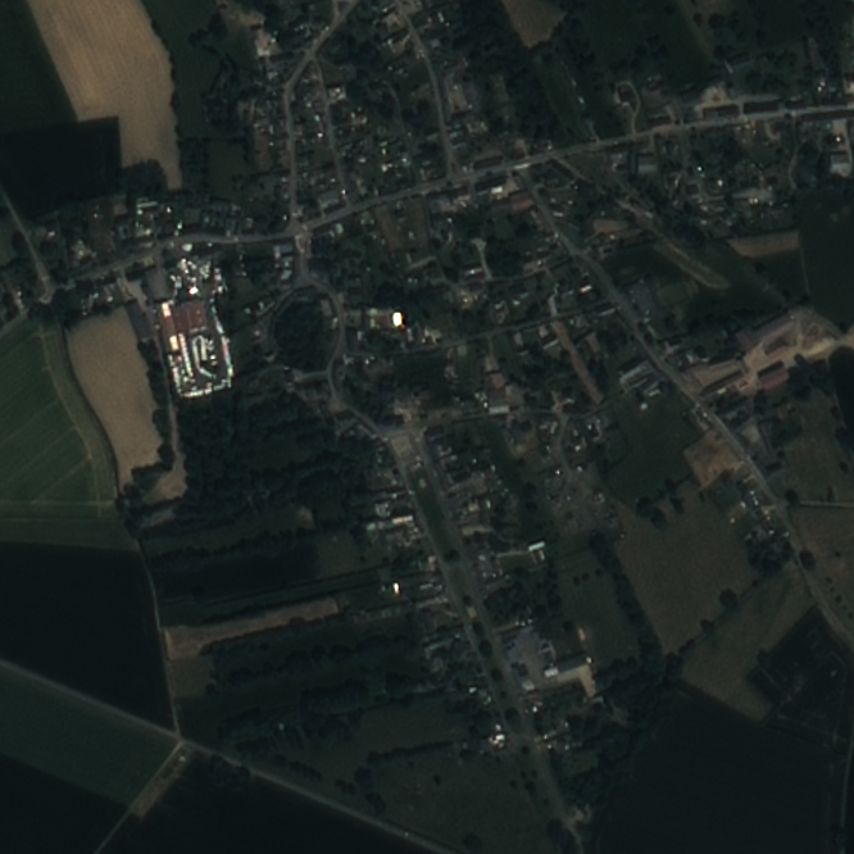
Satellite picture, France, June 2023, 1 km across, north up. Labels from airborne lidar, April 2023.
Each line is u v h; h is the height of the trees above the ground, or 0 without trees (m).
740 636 0
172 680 0
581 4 17
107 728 0
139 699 0
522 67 25
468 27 13
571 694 0
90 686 0
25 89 0
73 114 0
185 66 0
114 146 0
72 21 0
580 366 0
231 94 6
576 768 0
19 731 0
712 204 0
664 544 0
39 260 0
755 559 16
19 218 0
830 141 10
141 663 0
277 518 0
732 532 0
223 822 0
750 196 0
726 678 0
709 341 0
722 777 0
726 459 0
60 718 0
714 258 0
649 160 0
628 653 0
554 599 18
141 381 0
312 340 15
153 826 0
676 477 0
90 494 0
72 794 0
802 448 0
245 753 24
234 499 22
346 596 0
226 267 17
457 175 0
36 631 0
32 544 0
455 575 0
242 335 0
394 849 0
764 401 15
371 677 22
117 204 0
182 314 0
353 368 9
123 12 0
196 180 0
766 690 0
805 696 0
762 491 0
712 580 0
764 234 0
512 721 13
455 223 13
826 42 7
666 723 0
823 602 0
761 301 0
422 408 0
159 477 0
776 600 0
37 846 0
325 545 0
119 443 0
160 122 0
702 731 0
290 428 12
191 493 14
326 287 0
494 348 0
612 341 16
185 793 0
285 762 12
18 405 0
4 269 6
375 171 0
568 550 0
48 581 0
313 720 22
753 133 0
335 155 0
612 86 12
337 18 0
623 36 0
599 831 0
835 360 0
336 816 0
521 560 0
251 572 0
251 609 11
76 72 0
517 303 0
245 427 16
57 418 0
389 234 0
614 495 0
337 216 0
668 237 0
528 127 10
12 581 0
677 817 0
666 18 0
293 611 0
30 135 0
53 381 0
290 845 0
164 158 0
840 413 8
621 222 0
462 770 0
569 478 0
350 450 14
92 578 0
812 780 0
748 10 0
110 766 0
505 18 20
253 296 0
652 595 0
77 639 0
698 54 0
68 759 0
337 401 0
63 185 0
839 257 0
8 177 0
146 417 0
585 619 0
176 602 0
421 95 0
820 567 0
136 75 0
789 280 0
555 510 0
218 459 6
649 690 17
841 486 0
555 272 0
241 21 0
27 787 0
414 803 0
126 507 11
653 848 0
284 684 0
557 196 0
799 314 0
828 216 0
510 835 0
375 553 0
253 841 0
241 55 0
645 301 0
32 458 0
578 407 7
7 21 0
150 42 0
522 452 0
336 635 0
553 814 0
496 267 13
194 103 0
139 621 0
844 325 10
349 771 0
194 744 0
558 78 0
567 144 0
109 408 0
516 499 0
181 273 0
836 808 0
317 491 24
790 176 0
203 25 0
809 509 0
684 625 0
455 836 0
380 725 0
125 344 0
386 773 0
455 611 0
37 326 0
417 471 0
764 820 0
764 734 0
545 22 0
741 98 0
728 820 0
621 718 0
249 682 18
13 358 0
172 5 0
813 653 0
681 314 0
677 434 0
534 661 0
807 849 0
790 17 0
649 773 0
